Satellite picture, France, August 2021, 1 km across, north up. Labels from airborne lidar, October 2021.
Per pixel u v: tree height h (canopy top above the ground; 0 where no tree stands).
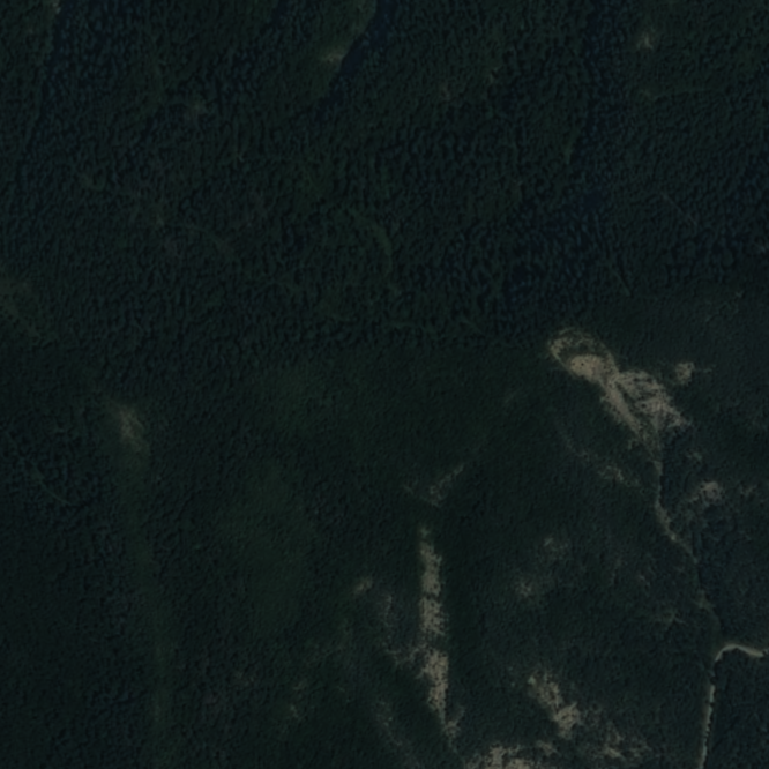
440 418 16
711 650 19
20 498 24
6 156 22
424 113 23
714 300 9
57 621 23
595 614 21
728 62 19
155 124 29
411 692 18
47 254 8
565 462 12
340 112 17
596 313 20
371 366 15
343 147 17
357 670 8
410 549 19
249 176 8
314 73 11
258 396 15
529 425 17
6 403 21
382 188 14
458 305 11
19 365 19
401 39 15
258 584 9
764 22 26
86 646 24
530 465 17
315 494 21
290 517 11
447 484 7
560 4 24
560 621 20
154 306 17
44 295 16
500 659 7
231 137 20
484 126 23
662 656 23
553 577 10
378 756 20
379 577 12
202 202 12
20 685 18
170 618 15
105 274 26
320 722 16
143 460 9
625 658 13
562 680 5
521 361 14
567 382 15
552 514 16
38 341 7
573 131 29
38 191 10
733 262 22
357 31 7
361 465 10
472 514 16
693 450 9
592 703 16
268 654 18
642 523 15
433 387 19
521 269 12
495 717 15
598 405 10
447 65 10
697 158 26
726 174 37
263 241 19
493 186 24
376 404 10
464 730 9
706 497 10
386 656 12
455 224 19
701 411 14
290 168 26
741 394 11
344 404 16
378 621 10
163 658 9
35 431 19
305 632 11
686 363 9
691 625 23
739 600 21
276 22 14
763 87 32
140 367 23
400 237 18
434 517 11
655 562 15
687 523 10
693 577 14
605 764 6
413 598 8
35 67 14
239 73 20
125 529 11
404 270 34
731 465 10
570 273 9
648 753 8
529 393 11
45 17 15
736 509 7
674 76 24
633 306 18
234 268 15
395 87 20
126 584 12
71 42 10
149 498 12
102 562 14
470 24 15
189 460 25
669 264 24
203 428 26
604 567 14
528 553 11
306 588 9
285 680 13
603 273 18
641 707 18
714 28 24
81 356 12
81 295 24
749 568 15
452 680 8
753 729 18
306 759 22
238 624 8
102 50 14
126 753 29
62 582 19
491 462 14
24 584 19
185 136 18
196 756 10
